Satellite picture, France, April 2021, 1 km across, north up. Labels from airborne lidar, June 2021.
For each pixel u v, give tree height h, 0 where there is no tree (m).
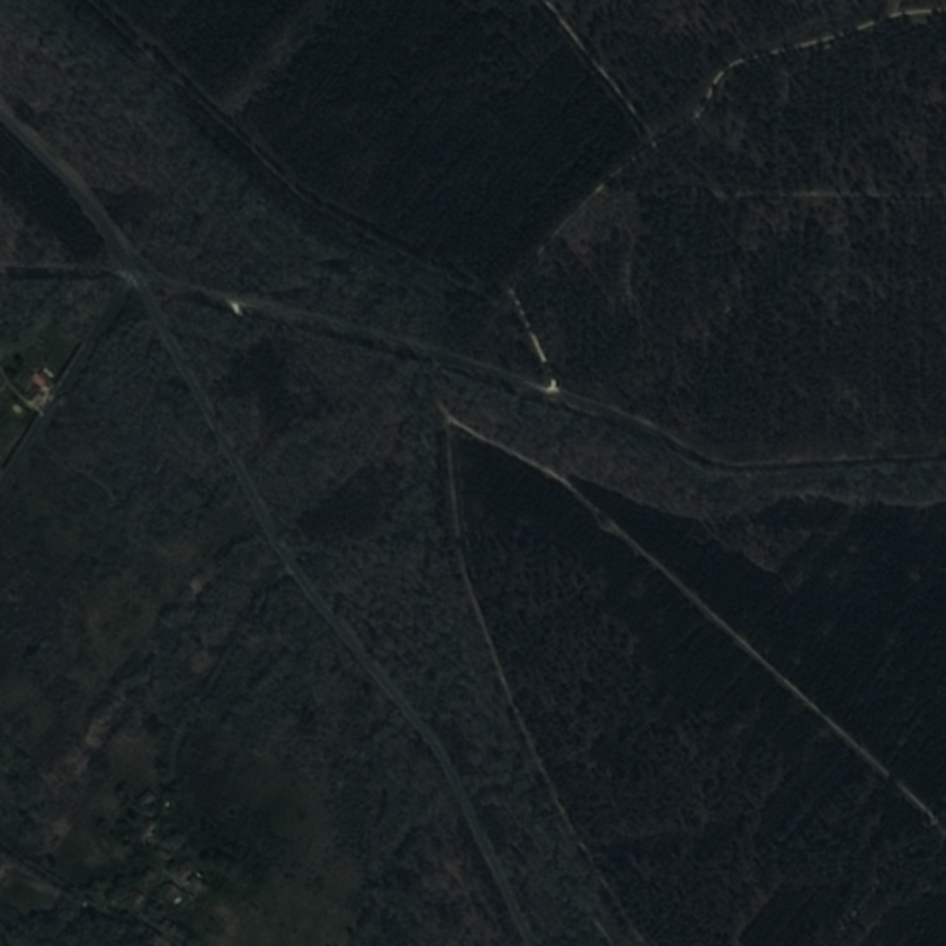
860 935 18
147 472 7
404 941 24
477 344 16
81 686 0
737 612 11
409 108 13
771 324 19
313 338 14
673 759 19
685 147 17
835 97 14
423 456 16
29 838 16
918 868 20
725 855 19
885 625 11
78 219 14
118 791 7
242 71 14
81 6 12
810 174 16
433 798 14
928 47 20
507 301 9
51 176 13
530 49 19
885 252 18
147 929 8
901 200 17
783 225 12
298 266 15
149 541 15
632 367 19
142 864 0
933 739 10
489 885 17
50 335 0
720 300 20
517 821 13
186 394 18
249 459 17
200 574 6
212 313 23
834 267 12
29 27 20
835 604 9
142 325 9
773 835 9
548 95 13
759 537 20
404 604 7
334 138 11
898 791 18
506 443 10
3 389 0
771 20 18
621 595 10
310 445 17
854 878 16
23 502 0
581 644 17
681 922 24
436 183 11
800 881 18
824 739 10
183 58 15
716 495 12
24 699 0
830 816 18
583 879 14
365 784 6
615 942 8
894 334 17
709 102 11
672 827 20
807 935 20
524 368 19
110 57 18
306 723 15
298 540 15
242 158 14
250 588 8
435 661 18
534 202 14
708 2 18
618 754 11
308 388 18
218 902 0
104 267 10
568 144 15
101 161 16
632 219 7
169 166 18
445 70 14
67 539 0
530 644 20
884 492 18
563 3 8
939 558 10
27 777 17
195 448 18
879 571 9
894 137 10
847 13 7
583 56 14
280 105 14
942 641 9
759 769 18
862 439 14
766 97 15
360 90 12
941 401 20
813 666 12
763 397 19
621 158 13
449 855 8
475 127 13
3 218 13
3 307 14
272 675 17
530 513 10
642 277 15
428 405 21
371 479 15
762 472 14
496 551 18
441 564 23
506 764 22
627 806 22
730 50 17
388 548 19
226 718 9
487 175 11
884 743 9
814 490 13
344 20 14
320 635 15
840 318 10
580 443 14
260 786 0
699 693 10
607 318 16
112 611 0
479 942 11
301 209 10
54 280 14
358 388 15
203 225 19
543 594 19
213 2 13
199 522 11
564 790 22
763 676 10
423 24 15
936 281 21
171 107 16
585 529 10
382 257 13
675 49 15
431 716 15
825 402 17
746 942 9
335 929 0
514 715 11
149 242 19
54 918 10
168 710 9
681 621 11
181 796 16
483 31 14
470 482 10
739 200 10
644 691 17
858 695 9
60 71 14
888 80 19
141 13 11
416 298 17
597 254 11
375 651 13
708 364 22
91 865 0
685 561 11
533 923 15
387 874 15
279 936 0
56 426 8
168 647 7
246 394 20
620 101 13
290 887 0
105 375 8
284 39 11
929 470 16
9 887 0
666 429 12
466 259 11
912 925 11
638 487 14
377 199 15
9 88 17
